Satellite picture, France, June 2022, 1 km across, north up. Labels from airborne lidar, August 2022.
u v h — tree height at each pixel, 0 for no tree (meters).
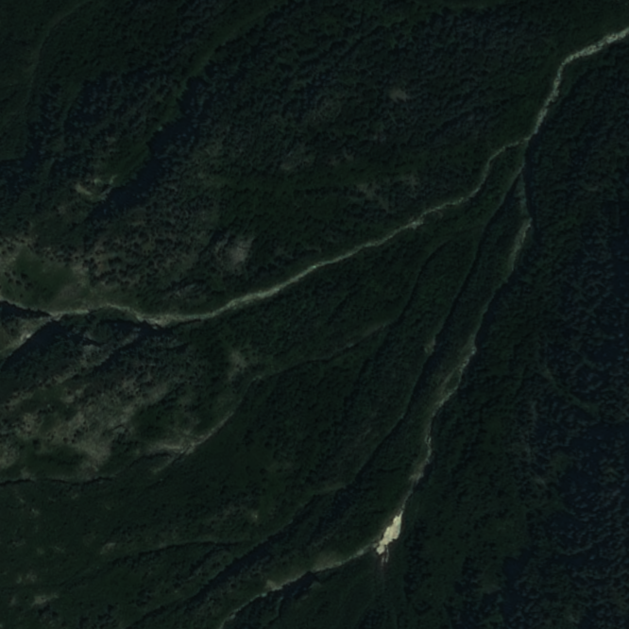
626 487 6
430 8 9
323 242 12
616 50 12
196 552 9
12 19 6
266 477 8
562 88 5
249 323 9
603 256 36
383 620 7
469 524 8
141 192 7
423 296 10
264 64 19
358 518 17
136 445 12
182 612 9
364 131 25
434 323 12
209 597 31
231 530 7
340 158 29
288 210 11
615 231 19
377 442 12
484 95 36
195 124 38
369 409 8
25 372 6
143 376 19
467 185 10
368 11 18
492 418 11
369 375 8
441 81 27
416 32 17
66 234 9
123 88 12
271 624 9
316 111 10
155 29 18
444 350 8
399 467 13
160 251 22
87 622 21
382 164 14
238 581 14
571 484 22
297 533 8
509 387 5
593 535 33
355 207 16
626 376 10
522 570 34
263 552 11
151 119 31
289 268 16
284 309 12
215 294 21
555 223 15
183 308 20
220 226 9
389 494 18
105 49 11
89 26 7
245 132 24
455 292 13
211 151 6
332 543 12
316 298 10
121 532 8
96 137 9
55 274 0
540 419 6
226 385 7
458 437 13
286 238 12
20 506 7
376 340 9
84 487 6
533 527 10
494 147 6
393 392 12
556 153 15
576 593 8
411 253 12
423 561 19
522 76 20
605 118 20
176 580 8
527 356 15
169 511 7
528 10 14
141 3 32
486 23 34
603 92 13
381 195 24
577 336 34
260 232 15
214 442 0
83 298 0
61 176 7
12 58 8
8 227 6
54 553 8
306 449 15
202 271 6
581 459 33
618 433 22
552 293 12
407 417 8
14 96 9
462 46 21
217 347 17
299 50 12
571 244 12
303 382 13
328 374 8
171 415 13
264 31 15
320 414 16
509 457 9
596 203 16
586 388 35
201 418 6
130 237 26
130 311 0
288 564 13
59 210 16
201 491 8
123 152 16
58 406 7
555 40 8
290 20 27
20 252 0
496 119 30
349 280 11
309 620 6
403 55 33
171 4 21
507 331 11
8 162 10
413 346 11
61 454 7
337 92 20
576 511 22
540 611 29
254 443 14
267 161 22
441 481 7
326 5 15
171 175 12
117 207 14
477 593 9
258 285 18
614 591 27
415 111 30
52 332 7
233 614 6
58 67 11
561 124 15
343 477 11
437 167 9
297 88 7
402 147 11
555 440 36
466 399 11
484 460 7
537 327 11
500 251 14
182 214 7
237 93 33
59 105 9
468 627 13
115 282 18
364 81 15
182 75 10
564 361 28
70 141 11
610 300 22
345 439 9
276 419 11
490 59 27
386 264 16
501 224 10
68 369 14
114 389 23
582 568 23
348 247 6
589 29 6
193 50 13
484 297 12
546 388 14
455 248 9
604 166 16
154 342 13
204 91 23
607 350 9
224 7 6
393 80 42
